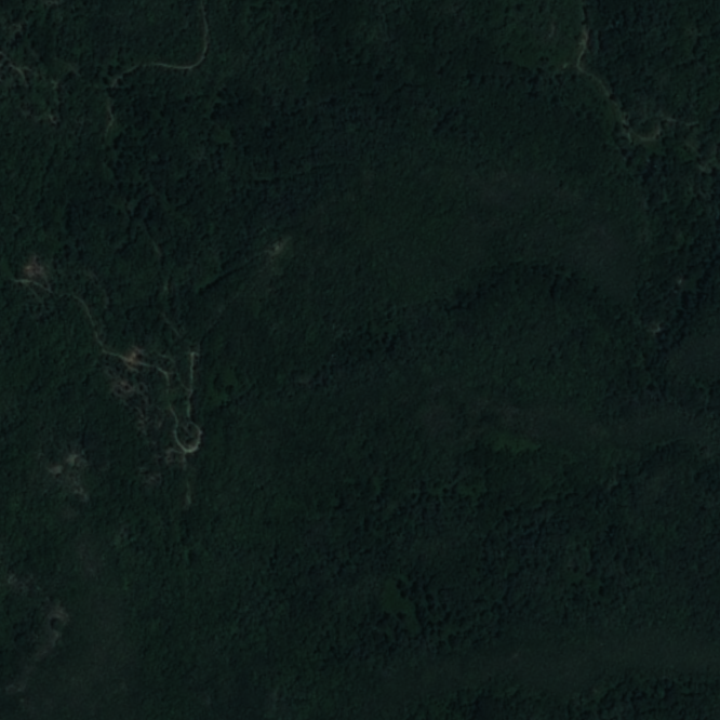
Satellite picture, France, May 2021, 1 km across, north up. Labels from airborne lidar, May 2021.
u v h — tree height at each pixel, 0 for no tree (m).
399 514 12
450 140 18
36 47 22
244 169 19
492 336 17
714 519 20
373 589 16
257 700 7
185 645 10
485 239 9
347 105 16
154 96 14
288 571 21
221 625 18
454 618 14
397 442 13
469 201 11
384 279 15
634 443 8
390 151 11
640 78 17
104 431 13
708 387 7
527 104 25
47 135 13
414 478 19
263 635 13
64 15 9
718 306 16
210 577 12
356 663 19
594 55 14
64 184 19
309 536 16
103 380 17
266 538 26
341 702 8
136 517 18
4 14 10
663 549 16
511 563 8
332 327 19
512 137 18
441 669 6
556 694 7
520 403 19
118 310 23
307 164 19
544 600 14
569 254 6
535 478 9
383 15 12
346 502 26
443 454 16
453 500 22
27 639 6
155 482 8
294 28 30
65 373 16
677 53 15
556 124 20
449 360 12
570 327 11
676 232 12
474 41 28
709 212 13
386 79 29
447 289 16
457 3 14
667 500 16
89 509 11
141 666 7
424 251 8
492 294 28
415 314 20
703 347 6
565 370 10
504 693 8
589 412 10
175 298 19
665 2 16
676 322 21
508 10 15
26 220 20
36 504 9
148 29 10
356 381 12
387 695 6
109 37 11
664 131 6
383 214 8
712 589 19
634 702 14
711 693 12
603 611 14
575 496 20
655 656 6
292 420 6
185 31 13
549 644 6
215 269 7
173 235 10
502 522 25
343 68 22
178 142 24
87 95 25
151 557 15
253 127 23
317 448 9
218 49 14
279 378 18
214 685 7
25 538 7
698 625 11
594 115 22
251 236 16
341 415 12
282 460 8
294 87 20
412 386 7
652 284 19
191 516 12
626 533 21
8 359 8
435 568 19
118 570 10
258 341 9
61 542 11
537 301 19
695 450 18
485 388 18
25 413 11
